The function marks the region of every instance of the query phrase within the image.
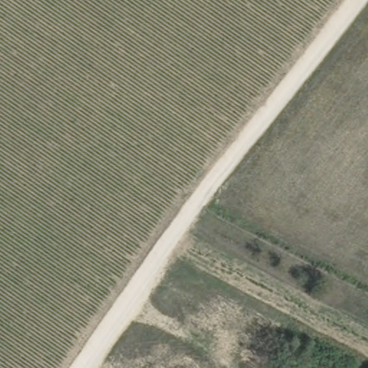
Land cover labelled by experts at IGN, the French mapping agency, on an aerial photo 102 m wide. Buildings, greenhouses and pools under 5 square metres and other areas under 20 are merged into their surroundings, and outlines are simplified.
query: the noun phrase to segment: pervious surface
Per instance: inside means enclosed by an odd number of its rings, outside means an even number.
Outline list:
[[[321,33],[310,43],[305,55],[300,57],[269,96],[266,105],[254,114],[249,124],[240,132],[239,138],[227,148],[223,157],[220,157],[201,180],[200,185],[195,188],[193,195],[188,198],[178,216],[162,234],[137,273],[129,280],[124,292],[106,313],[101,325],[93,332],[88,344],[73,362],[76,368],[99,368],[116,339],[129,323],[137,318],[139,310],[149,299],[152,290],[160,285],[167,270],[168,257],[171,256],[178,241],[183,239],[185,231],[188,231],[191,224],[197,220],[201,208],[207,206],[211,200],[227,175],[234,170],[257,138],[285,108],[286,103],[322,62],[326,53],[332,49],[336,40],[348,29],[349,24],[358,16],[359,11],[364,9],[368,1],[368,0],[345,0],[323,26]]]

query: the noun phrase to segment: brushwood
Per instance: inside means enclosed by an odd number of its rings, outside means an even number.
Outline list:
[[[267,364],[263,368],[368,368],[368,358],[356,349],[335,341],[331,336],[322,335],[319,338],[300,331],[263,325],[256,332],[256,336],[250,338],[249,344],[250,351],[267,356]]]

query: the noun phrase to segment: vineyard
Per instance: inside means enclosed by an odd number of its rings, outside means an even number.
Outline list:
[[[321,33],[323,26],[345,0],[0,0],[0,368],[76,368],[73,362],[88,344],[93,332],[101,325],[106,313],[124,292],[129,280],[137,273],[162,234],[178,216],[188,198],[193,195],[195,188],[200,185],[201,180],[220,157],[223,157],[227,148],[239,138],[240,132],[249,124],[254,114],[266,105],[269,96],[300,57],[305,55],[310,43]]]

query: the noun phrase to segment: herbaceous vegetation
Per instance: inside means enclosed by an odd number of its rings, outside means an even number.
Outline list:
[[[178,241],[171,256],[168,257],[167,270],[160,285],[152,290],[149,299],[139,310],[137,318],[129,323],[116,339],[99,368],[263,368],[267,364],[267,356],[250,351],[249,344],[250,338],[256,336],[256,332],[263,325],[300,331],[319,338],[322,335],[331,336],[335,341],[356,349],[368,358],[368,285],[355,276],[336,269],[335,263],[315,259],[306,250],[289,246],[285,241],[276,239],[259,224],[241,216],[240,211],[227,210],[226,207],[218,206],[211,200],[207,206],[201,208],[197,220],[191,224],[188,231],[185,231],[183,239]]]

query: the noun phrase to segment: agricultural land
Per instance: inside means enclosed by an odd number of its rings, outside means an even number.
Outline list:
[[[234,170],[227,175],[211,200],[218,206],[226,207],[227,210],[240,211],[241,216],[259,224],[276,239],[285,241],[289,246],[306,250],[315,259],[335,263],[336,269],[355,276],[368,285],[368,1],[364,9],[359,11],[358,16],[349,24],[348,29],[336,40],[332,49],[326,53],[322,62],[286,103],[285,108],[257,138]]]

